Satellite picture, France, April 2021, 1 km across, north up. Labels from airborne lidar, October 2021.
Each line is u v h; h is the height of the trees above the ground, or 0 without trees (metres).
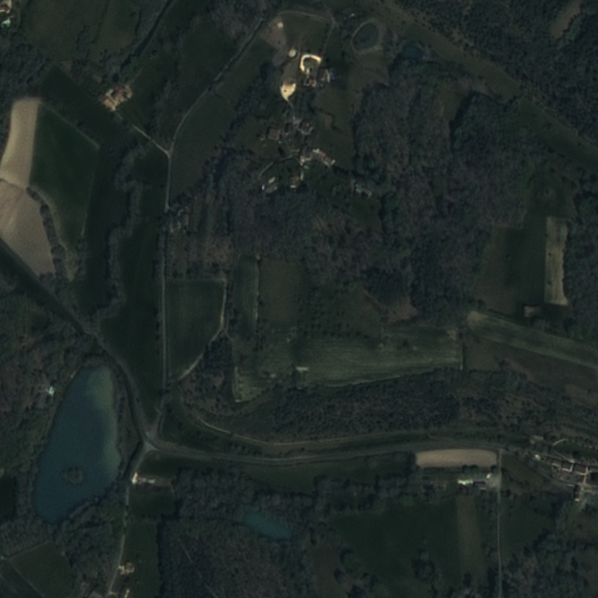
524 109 0
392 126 24
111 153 6
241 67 0
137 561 0
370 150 27
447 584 0
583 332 20
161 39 0
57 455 0
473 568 0
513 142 19
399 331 0
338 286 10
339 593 0
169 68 0
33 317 0
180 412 0
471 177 23
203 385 9
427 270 25
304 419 11
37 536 35
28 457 18
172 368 0
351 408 8
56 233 18
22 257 0
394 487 14
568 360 0
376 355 0
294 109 12
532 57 9
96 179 0
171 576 17
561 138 0
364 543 0
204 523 22
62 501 0
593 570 14
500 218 20
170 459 0
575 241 16
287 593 17
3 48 18
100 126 0
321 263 27
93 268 0
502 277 0
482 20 7
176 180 0
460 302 24
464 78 22
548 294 0
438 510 0
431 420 6
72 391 0
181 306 0
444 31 8
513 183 24
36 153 0
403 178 10
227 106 0
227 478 21
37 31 0
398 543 0
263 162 14
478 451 0
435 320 22
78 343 19
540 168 10
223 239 8
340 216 24
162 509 0
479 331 0
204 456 0
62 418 0
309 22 0
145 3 10
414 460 14
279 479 0
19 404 15
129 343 0
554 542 16
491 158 28
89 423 0
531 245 0
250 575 21
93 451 0
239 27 31
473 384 6
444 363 0
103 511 22
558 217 0
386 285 25
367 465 15
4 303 25
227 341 10
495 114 22
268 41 0
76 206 0
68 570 0
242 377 0
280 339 0
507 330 0
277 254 24
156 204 0
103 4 0
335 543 13
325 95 0
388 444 6
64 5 0
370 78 0
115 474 0
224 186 20
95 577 22
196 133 0
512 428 9
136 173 0
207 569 17
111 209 0
